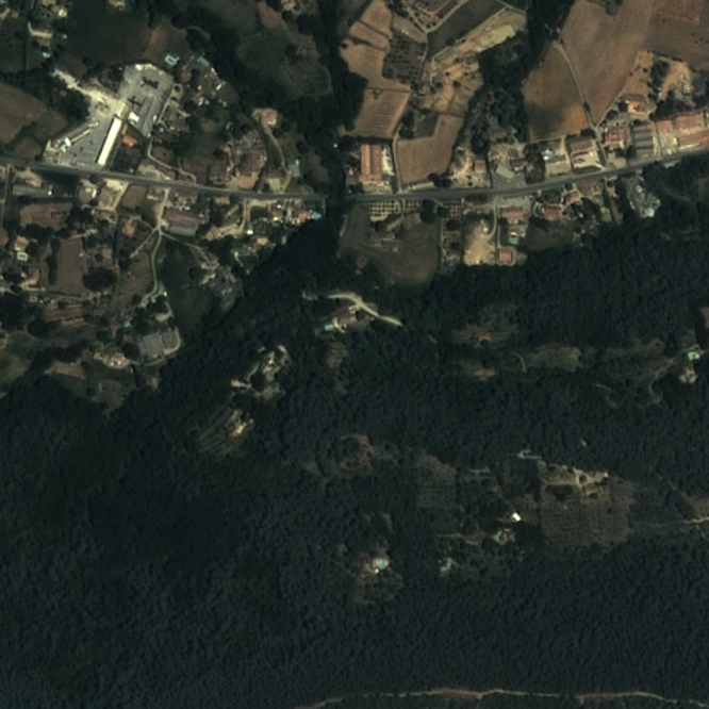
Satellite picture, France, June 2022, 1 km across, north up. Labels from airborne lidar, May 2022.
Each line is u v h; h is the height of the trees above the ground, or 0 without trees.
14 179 0
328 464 21
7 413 25
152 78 0
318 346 15
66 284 0
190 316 0
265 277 26
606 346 16
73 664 10
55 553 16
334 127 16
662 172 18
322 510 22
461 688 10
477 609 16
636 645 12
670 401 16
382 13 0
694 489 15
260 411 18
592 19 0
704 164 9
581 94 0
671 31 0
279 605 14
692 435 17
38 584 16
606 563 12
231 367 26
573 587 14
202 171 0
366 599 6
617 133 0
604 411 16
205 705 13
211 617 16
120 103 0
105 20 0
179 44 0
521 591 15
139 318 11
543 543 9
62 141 0
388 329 15
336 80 14
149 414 25
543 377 6
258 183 7
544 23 15
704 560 12
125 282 0
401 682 14
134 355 19
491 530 13
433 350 19
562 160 0
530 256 9
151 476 18
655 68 7
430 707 11
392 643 11
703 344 12
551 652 15
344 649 14
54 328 12
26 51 7
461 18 0
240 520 22
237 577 17
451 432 17
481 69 7
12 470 15
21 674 21
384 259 0
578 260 22
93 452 19
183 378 22
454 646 14
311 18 10
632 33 0
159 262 0
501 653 13
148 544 21
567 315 24
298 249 32
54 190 0
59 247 9
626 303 14
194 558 19
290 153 0
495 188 0
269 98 8
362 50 0
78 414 22
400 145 0
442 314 15
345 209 13
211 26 23
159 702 13
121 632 18
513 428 22
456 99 0
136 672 18
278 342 24
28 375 9
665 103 18
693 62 0
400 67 0
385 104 0
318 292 7
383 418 26
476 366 0
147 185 0
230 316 14
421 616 16
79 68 0
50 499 19
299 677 12
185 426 13
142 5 19
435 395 6
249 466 7
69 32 13
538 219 8
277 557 24
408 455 20
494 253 0
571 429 22
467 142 0
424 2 6
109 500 22
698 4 0
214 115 7
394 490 6
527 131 7
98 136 0
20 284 11
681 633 10
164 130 6
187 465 16
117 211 0
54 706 13
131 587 26
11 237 9
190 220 0
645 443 23
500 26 0
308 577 8
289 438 25
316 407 23
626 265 17
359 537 20
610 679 13
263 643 15
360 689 6
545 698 7
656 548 10
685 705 13
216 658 13
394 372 10
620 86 0
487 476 7
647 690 13
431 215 13
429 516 15
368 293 17
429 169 0
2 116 0
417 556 18
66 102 9
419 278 0
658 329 24
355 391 25
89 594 22
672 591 21
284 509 17
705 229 9
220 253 12
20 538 18
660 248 18
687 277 21
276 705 9
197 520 19
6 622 12
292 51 8
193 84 8
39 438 15
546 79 0
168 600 22
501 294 10
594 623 9
